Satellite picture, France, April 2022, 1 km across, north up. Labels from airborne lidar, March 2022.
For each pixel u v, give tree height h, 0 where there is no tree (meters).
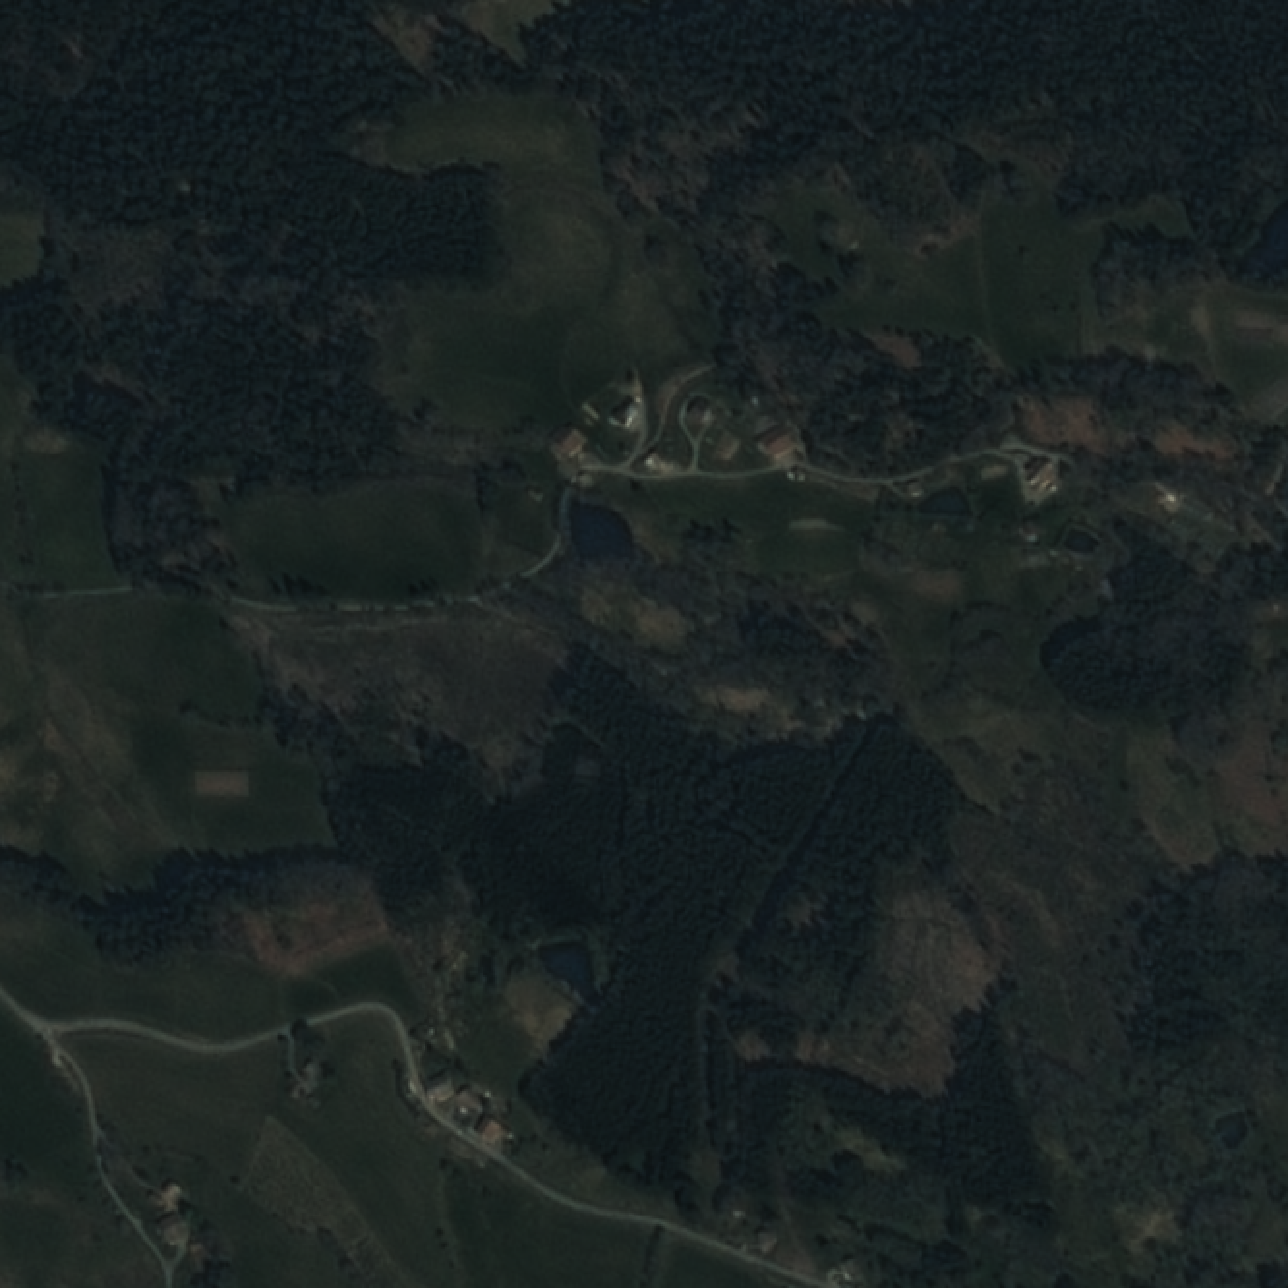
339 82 19
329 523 0
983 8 27
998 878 0
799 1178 18
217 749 0
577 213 0
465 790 21
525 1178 0
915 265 0
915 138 7
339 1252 9
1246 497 21
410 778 16
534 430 14
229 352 22
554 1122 14
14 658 0
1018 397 20
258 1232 0
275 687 19
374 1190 0
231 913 28
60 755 0
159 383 21
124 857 0
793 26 29
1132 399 19
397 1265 0
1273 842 0
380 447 17
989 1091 25
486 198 22
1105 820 11
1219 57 23
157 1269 0
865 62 23
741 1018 28
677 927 19
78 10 31
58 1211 0
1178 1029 17
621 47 23
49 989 0
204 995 0
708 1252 0
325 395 23
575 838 17
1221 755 26
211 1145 0
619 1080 18
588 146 0
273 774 0
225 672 0
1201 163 24
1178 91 31
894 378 15
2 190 15
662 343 0
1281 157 27
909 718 15
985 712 0
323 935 0
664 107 13
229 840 0
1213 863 0
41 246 0
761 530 0
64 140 16
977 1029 24
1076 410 0
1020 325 0
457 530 0
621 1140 18
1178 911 23
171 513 25
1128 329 0
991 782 0
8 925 0
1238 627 30
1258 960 20
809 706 11
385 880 13
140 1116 0
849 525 0
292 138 22
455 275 19
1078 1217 0
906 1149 20
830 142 19
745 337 27
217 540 20
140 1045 0
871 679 18
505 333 0
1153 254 21
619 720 26
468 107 0
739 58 27
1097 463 22
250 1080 0
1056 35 24
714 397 0
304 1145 0
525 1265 0
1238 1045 10
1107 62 25
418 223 22
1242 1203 15
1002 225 0
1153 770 0
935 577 12
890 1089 0
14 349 30
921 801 24
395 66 30
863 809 25
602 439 0
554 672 0
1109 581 0
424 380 0
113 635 0
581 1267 0
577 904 14
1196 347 0
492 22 0
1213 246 22
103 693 0
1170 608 26
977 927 30
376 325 9
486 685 0
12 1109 0
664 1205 0
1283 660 0
